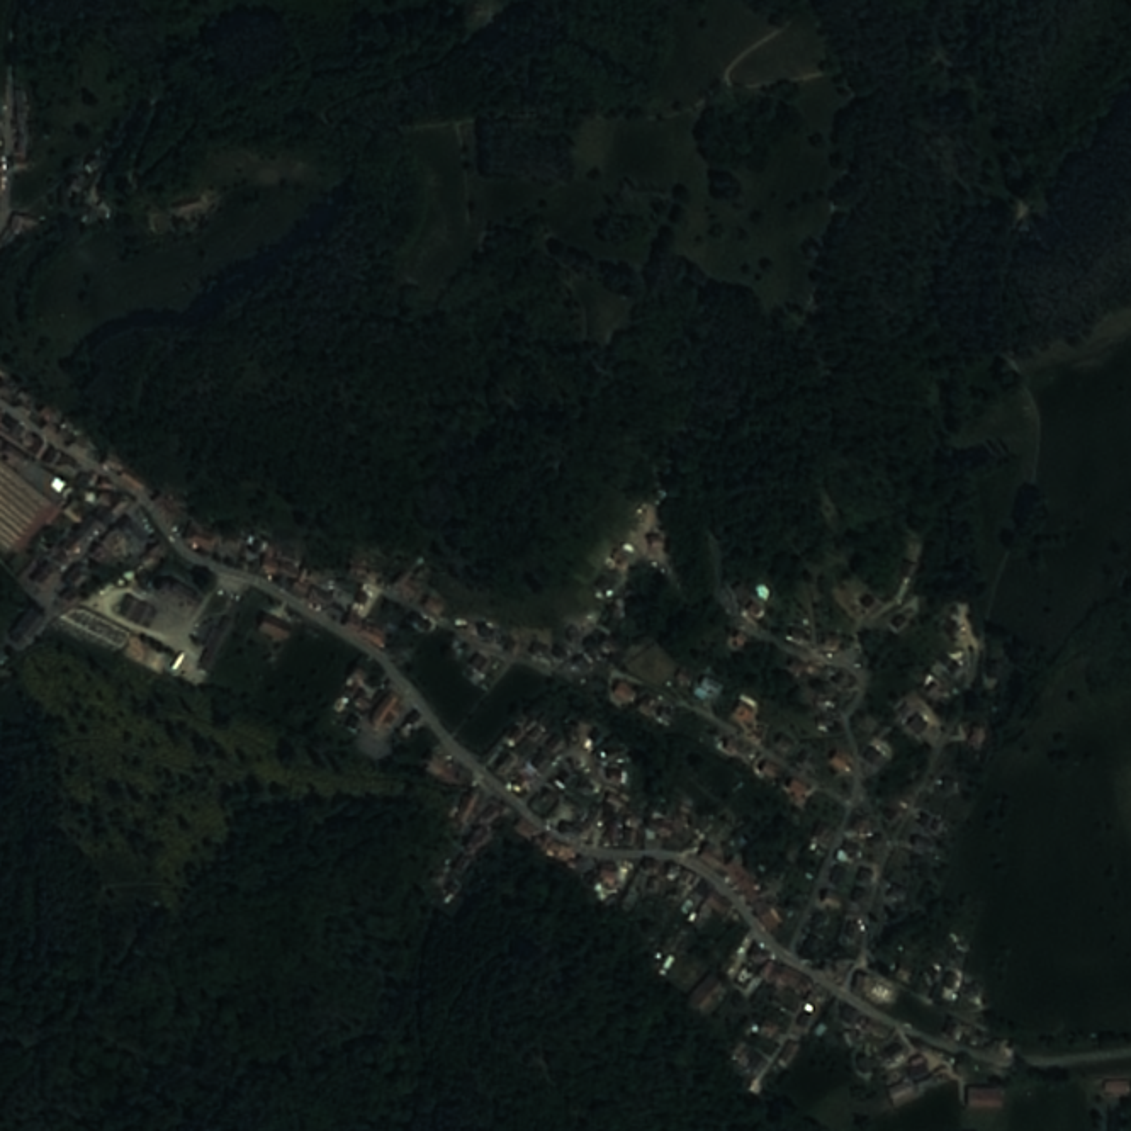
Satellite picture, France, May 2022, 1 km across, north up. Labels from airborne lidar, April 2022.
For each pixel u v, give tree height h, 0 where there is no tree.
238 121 10
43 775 11
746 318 21
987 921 0
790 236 0
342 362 9
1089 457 0
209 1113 23
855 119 20
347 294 25
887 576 7
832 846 0
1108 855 0
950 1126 0
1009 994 0
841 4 23
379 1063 24
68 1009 20
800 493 12
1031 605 0
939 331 5
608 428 12
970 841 0
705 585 6
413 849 13
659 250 17
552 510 11
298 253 16
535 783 0
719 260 0
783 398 9
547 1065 12
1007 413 0
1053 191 28
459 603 0
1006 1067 0
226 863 13
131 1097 25
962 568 25
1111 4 22
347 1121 22
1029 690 9
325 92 7
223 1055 27
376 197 21
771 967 0
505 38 21
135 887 0
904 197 18
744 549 12
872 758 0
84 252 0
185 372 10
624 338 12
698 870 0
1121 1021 0
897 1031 0
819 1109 0
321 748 17
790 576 7
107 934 11
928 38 30
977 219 30
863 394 16
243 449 18
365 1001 25
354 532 12
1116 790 0
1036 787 0
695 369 28
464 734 0
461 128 0
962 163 25
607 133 0
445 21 26
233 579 0
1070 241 17
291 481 18
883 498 20
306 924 20
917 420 24
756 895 0
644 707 0
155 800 10
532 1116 16
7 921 26
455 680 0
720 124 20
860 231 17
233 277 11
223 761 22
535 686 0
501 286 15
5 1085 18
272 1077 26
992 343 34
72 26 17
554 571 9
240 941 18
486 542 19
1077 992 0
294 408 14
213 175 0
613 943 12
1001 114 17
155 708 13
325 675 0
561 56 24
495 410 19
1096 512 0
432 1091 23
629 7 24
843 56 15
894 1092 0
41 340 7
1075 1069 0
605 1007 18
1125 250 18
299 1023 21
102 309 0
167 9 12
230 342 17
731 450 24
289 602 0
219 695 10
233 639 7
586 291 0
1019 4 23
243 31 25
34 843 24
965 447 0
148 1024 27
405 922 7
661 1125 17
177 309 0
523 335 27
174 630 0
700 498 8
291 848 14
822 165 0
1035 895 0
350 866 23
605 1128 12
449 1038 12
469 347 13
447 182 0
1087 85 18
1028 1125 0
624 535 0
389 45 24
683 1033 7
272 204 0
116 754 0
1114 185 23
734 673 12
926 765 9
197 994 28
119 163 11
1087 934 0
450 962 6
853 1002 0
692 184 0
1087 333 13
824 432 8
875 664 9
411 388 16
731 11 0
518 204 0
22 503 0
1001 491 0
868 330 19
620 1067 20
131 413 13
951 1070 0
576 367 7
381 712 0
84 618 0
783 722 0
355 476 13
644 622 6
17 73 15
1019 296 17
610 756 10
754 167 18
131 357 18
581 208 0
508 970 12
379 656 0
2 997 22
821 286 16
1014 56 22
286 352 18
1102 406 0
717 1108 13
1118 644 11
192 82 21
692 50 0
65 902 21
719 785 0
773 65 0
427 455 32
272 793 10
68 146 0
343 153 18
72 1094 21
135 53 21
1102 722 0
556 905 7
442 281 0
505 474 19
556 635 0
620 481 13
